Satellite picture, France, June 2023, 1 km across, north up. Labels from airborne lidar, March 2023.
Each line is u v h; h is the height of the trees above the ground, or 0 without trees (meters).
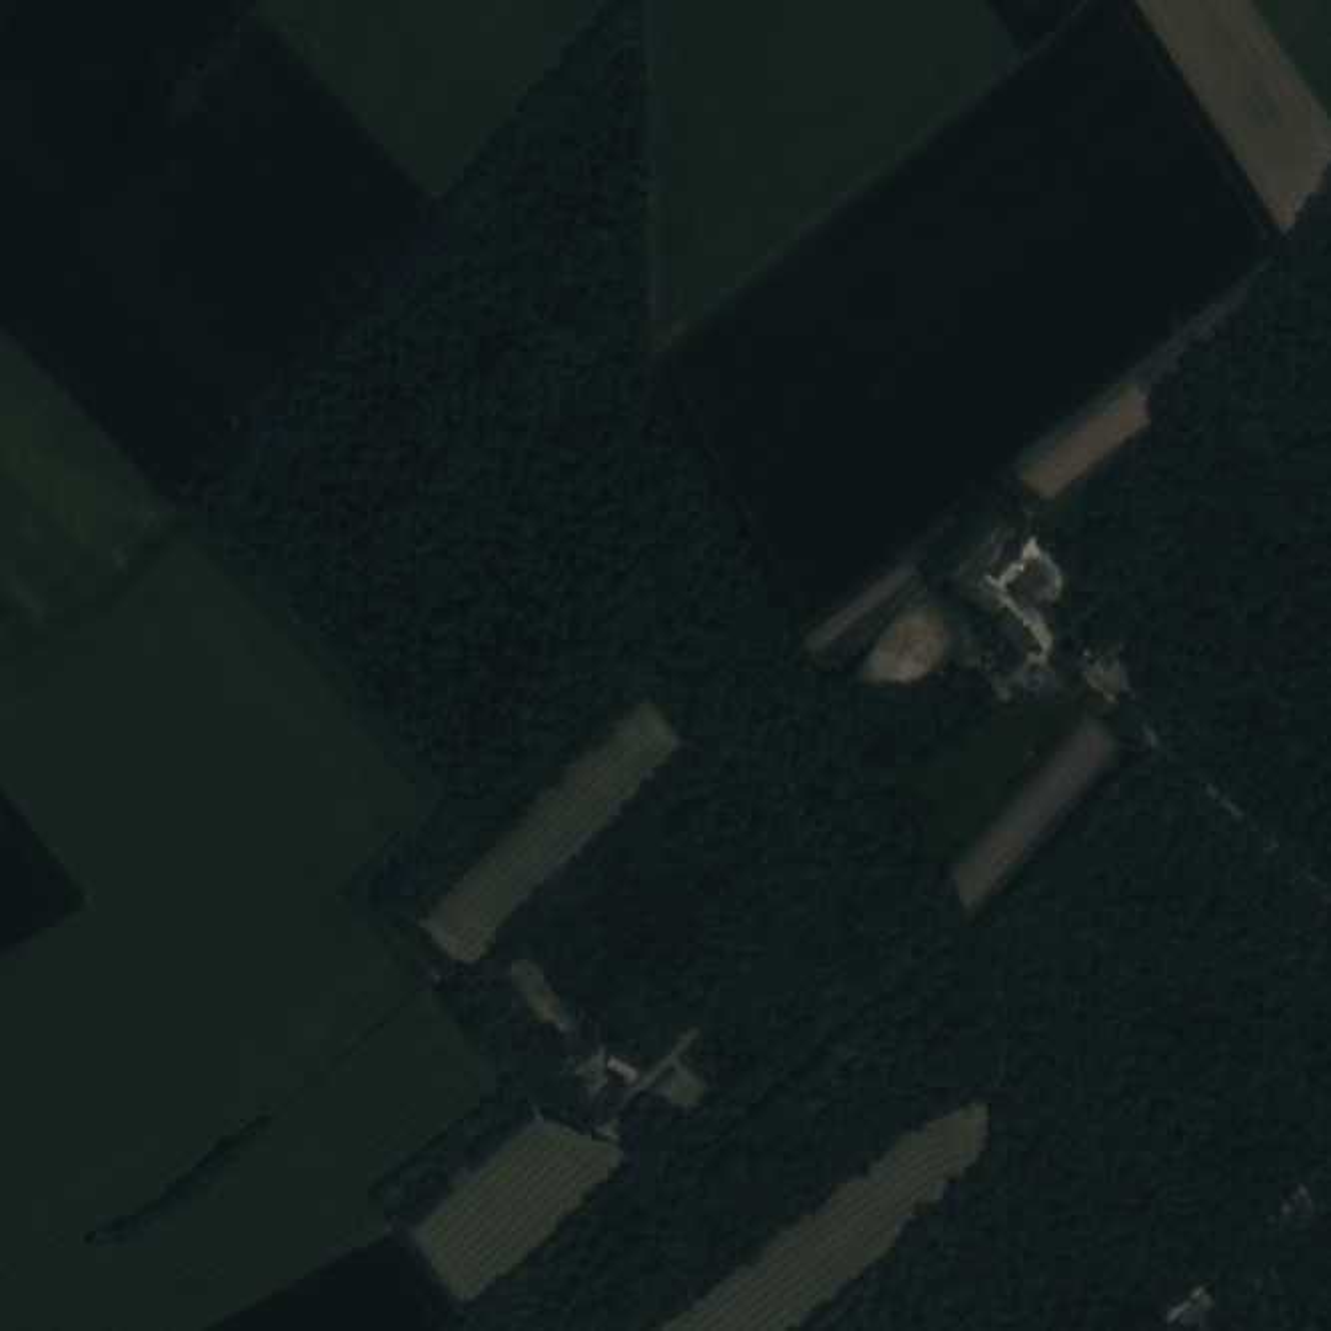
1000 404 0
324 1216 0
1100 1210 26
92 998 0
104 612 0
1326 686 25
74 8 0
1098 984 16
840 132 0
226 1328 0
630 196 24
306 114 0
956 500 0
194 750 0
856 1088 22
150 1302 0
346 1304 0
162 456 0
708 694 23
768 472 0
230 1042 0
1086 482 0
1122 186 0
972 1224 21
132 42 0
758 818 23
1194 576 28
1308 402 24
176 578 0
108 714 0
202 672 0
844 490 0
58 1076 0
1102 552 24
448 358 29
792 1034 19
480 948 0
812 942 22
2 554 0
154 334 0
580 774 0
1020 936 21
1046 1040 18
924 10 0
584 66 22
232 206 0
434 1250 0
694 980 13
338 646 23
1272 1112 21
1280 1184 16
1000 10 0
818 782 11
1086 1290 28
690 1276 19
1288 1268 26
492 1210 0
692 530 29
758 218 0
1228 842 17
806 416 0
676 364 0
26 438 0
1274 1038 15
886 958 21
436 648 25
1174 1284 25
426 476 26
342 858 0
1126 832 21
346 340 17
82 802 0
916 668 0
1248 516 28
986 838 0
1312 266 18
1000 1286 21
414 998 0
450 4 0
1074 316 0
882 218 0
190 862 0
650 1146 11
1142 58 0
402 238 0
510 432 25
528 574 24
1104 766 0
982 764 0
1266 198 0
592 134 22
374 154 0
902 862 22
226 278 0
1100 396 0
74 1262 0
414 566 27
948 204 0
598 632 24
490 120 0
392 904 23
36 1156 0
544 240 22
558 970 14
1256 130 0
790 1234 0
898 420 0
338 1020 0
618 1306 23
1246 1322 24
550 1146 0
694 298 0
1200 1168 25
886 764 24
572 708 28
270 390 0
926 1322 22
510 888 0
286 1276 0
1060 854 19
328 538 27
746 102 0
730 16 0
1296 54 0
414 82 0
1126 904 24
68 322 0
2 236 0
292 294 0
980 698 9
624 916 17
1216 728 22
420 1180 7
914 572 0
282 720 0
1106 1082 19
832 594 0
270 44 0
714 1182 24
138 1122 0
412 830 0
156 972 0
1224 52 0
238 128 0
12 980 0
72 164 0
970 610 15
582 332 25
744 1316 0
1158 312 0
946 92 0
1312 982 17
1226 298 0
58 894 0
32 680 0
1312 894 24
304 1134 0
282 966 0
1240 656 23
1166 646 21
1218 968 17
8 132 0
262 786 0
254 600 0
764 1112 19
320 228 0
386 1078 0
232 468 21
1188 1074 14
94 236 0
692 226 0
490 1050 7
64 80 0
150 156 0
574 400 18
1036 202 0
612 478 23
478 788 24
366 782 0
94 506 0
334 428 27
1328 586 27
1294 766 24
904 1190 0
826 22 0
